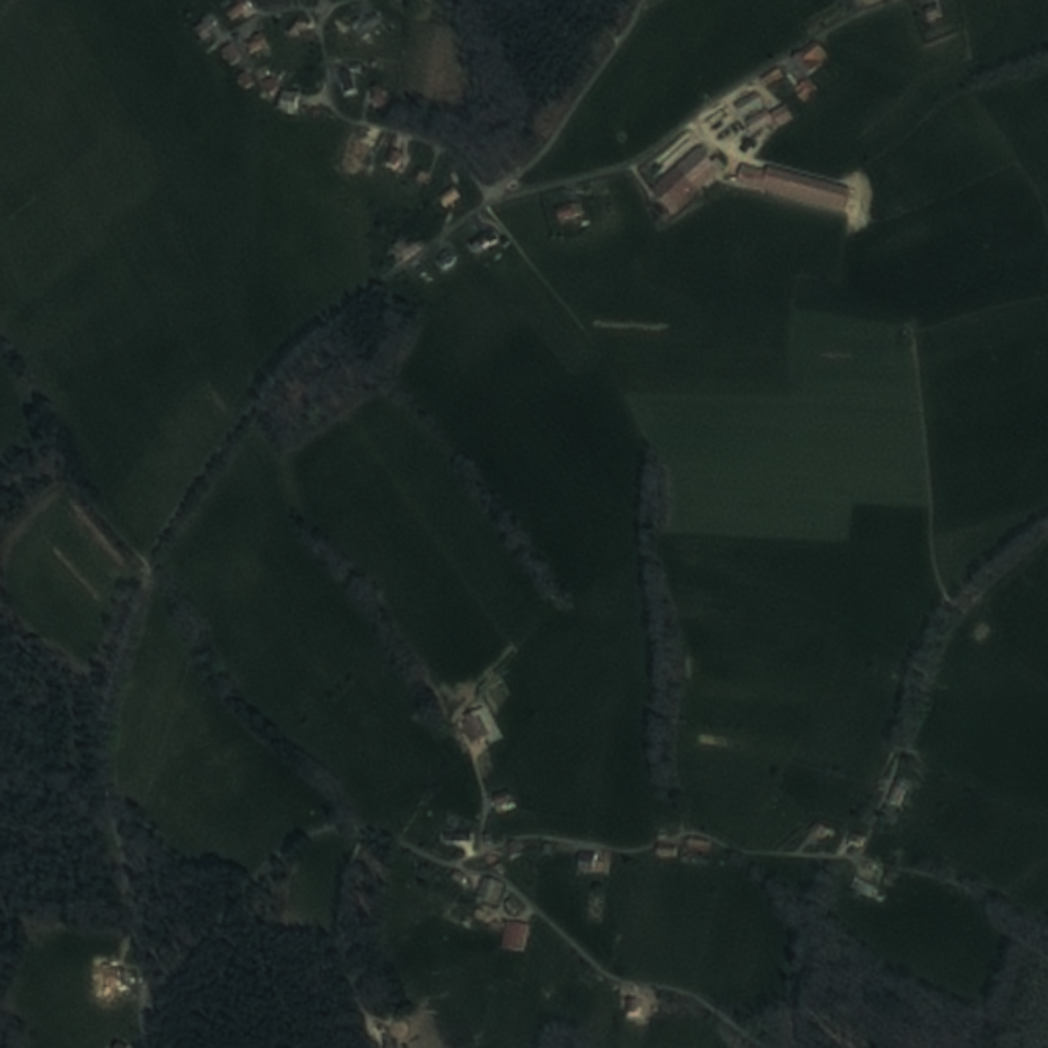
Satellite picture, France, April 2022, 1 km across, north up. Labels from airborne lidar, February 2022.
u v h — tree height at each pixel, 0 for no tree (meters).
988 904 17
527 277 0
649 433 0
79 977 0
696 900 0
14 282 0
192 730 0
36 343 0
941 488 0
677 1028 0
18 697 20
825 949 31
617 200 0
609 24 16
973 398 0
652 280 0
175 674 0
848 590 0
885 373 0
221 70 0
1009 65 15
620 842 0
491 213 0
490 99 23
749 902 0
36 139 0
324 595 0
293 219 0
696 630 0
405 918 0
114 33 0
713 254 0
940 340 0
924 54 0
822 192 0
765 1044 23
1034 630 0
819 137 0
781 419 0
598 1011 0
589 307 0
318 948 27
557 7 19
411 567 0
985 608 0
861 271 0
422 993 0
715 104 0
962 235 0
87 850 25
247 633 0
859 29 0
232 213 0
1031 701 0
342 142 0
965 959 0
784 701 0
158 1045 26
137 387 0
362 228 0
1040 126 0
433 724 21
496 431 0
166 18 0
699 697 0
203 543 0
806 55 0
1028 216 0
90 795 31
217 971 26
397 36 0
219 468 14
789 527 0
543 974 0
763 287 0
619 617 0
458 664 0
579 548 0
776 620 0
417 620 0
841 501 0
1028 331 0
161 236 0
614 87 0
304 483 0
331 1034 23
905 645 0
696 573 0
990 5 0
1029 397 0
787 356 0
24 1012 0
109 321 0
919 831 0
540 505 0
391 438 0
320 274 0
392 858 20
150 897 29
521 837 0
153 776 0
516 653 0
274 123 0
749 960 0
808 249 0
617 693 0
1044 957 26
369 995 29
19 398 0
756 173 0
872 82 0
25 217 0
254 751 0
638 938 0
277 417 26
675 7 0
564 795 0
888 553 0
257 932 24
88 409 0
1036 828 0
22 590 0
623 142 0
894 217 0
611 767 0
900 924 0
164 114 0
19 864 24
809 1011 31
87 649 0
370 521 0
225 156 0
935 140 0
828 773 8
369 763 0
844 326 0
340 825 24
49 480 12
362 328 17
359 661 0
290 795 0
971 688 0
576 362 0
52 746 18
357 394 33
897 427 0
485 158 34
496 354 0
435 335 0
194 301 0
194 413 0
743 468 0
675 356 0
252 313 0
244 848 0
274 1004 26
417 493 0
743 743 0
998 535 0
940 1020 34
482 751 0
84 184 0
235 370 0
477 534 0
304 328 0
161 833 15
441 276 0
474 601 0
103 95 0
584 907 0
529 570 20
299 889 0
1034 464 0
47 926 23
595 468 0
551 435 0
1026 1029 18
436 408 0
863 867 0
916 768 13
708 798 0
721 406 0
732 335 0
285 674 0
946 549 0
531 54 17
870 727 0
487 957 0
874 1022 37
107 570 0
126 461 0
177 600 20
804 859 0
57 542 0
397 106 7
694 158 0
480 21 14
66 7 0
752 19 0
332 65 0
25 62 0
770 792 0
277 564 0
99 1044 0
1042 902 0
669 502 26
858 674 0
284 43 0
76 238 0
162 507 0
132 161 0
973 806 0
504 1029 0
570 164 0
